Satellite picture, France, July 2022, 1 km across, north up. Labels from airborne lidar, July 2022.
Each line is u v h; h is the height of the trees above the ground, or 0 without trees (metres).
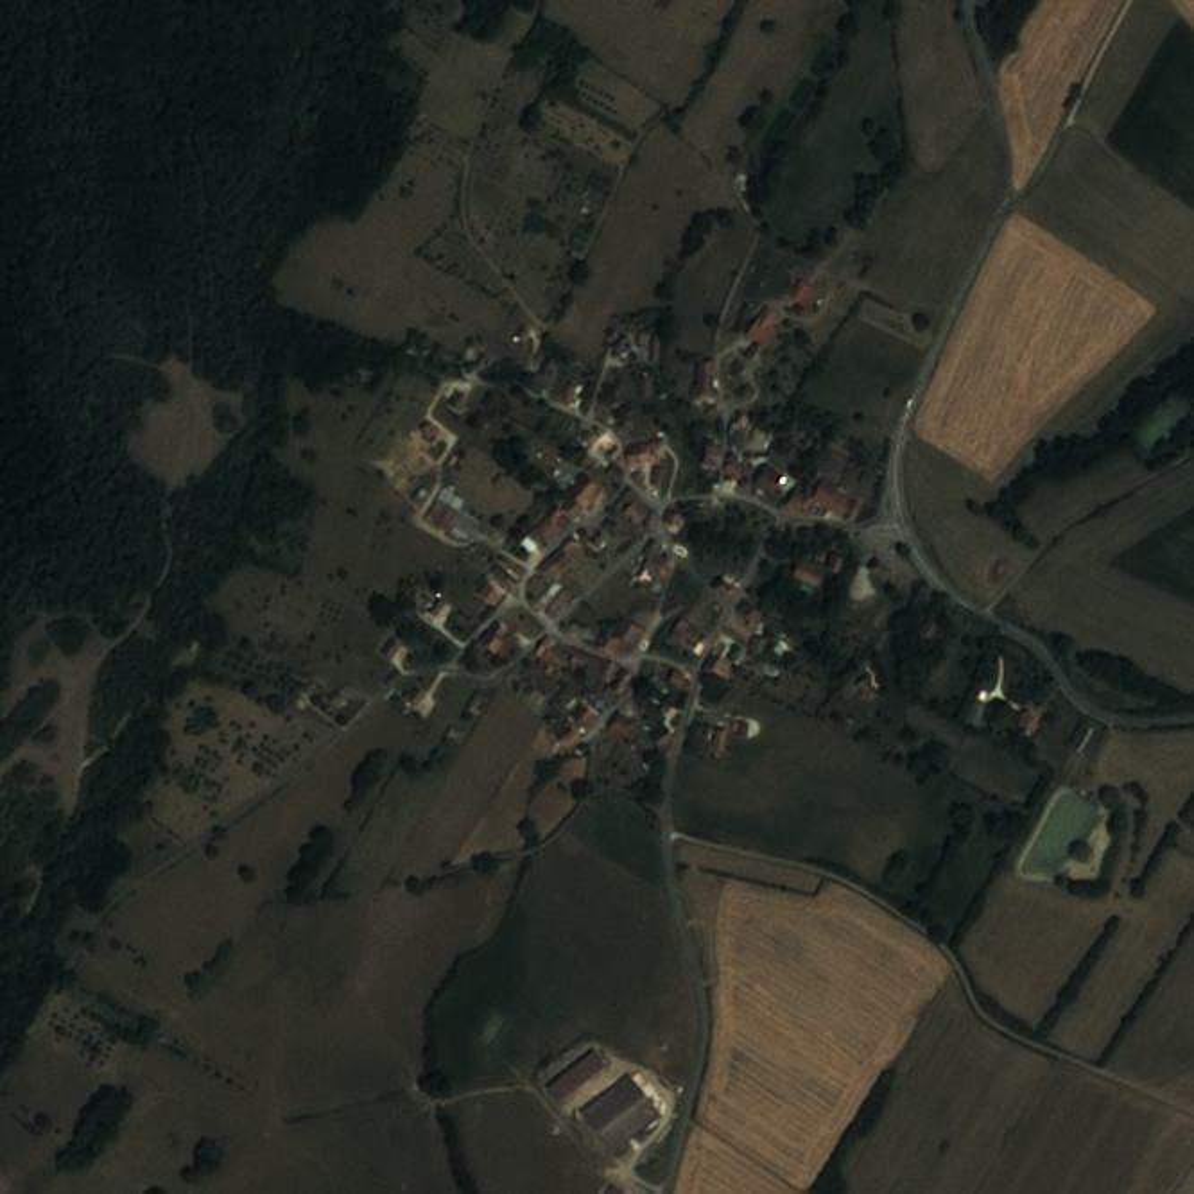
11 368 18
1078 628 0
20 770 7
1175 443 8
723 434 5
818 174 0
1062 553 0
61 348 18
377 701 0
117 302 7
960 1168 0
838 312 0
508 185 0
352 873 0
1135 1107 0
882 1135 0
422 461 0
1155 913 0
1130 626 0
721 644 0
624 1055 0
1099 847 0
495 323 0
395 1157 0
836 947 0
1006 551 0
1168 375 20
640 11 0
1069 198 0
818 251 13
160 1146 0
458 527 0
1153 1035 0
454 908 0
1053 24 0
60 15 19
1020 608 0
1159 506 0
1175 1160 0
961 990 0
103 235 10
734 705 0
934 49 0
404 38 0
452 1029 0
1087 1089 0
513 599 0
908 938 0
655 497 0
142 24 17
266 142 6
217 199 14
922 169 0
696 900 0
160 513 11
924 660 9
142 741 18
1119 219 0
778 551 14
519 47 8
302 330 19
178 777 6
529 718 0
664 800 13
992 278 0
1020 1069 0
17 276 19
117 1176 0
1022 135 0
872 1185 0
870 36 0
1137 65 0
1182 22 0
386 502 0
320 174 10
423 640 5
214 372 11
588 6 0
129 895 0
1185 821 6
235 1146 0
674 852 0
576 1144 0
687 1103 0
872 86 0
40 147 22
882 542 0
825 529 16
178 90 20
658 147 0
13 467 24
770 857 0
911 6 0
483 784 0
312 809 0
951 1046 0
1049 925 0
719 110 0
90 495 14
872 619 0
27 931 18
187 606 14
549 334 6
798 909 0
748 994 0
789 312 6
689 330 0
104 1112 18
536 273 0
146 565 7
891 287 0
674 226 0
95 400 11
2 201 24
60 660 0
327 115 22
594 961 0
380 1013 0
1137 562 0
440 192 0
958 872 0
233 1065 0
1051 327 0
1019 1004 0
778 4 0
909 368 0
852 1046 0
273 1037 0
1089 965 6
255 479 16
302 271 0
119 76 20
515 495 0
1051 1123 0
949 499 0
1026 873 0
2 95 22
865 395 0
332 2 15
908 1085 0
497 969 0
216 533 16
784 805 0
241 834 0
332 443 0
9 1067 19
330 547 0
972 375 0
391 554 0
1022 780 0
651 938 0
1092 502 0
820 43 0
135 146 11
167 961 0
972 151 0
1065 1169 0
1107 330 0
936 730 0
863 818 0
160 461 0
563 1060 0
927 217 0
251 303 11
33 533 25
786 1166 0
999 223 0
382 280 0
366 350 15
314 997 0
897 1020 0
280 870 0
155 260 14
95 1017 9
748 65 0
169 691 18
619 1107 0
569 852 0
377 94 13
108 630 8
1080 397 0
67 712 0
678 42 0
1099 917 0
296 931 0
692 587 0
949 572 0
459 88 0
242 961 0
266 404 11
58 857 8
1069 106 7
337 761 0
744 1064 0
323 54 23
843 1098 0
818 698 0
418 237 0
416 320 0
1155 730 8
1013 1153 0
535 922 0
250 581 0
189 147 13
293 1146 0
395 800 0
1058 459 19
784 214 0
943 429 0
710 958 0
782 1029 0
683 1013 0
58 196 16
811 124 0
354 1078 0
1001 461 0
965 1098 0
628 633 0
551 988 0
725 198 0
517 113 0
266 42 17
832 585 12
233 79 19
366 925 0
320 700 7
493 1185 0
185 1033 0
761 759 0
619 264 0
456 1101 0
